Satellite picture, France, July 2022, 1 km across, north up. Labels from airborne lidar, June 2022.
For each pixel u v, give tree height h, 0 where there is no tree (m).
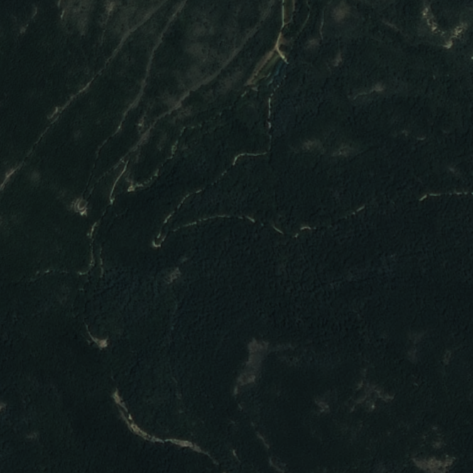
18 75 16
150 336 15
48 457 13
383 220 11
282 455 7
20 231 9
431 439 8
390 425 8
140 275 8
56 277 18
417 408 9
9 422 7
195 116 7
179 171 17
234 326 11
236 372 11
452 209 10
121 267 7
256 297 13
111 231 14
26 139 6
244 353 12
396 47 7
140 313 13
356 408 6
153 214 12
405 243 13
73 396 15
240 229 17
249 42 6
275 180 9
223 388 12
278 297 14
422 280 15
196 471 15
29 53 14
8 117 18
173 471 11
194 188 7
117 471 15
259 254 16
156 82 15
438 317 12
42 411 15
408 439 9
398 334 8
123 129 11
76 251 15
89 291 14
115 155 11
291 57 8
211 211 8
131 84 9
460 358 7
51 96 11
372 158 12
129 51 8
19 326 11
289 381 9
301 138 10
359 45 6
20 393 10
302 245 10
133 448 13
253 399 7
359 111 7
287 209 14
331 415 7
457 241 8
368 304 10
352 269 5
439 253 11
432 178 10
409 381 13
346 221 11
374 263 10
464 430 8
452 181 10
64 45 9
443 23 10
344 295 11
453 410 13
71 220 7
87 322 12
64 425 13
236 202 11
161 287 9
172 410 6
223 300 13
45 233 10
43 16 12
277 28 7
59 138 14
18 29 8
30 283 9
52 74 13
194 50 0
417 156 12
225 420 14
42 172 9
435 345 8
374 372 10
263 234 19
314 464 10
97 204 14
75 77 13
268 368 9
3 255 12
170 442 15
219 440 6
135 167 6
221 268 12
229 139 13
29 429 9
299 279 7
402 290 9
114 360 10
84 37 13
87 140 10
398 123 7
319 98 14
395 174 9
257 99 8
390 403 6
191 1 6
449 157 8
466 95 11
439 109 8
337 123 13
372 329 9
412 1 6
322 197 11
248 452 7
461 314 12
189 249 7
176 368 7
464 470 7
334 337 6
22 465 8
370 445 7
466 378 9
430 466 0
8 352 10
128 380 12
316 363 11
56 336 18
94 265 7
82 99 9
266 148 7
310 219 17
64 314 13
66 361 18
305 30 7
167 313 6
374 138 9
